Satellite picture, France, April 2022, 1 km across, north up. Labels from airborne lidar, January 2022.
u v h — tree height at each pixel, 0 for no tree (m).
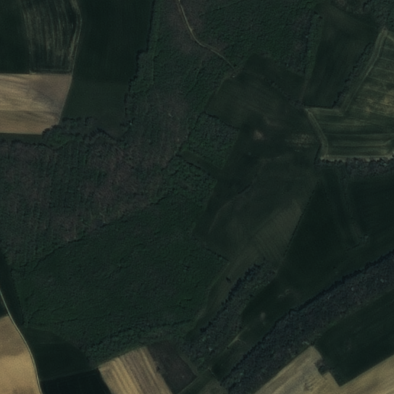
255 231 0
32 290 6
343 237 0
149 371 0
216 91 13
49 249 10
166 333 22
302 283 0
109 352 21
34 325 11
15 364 0
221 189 0
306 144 0
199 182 11
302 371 0
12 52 0
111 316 10
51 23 0
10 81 0
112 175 17
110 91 0
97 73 0
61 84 0
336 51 0
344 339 0
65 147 12
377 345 0
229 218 0
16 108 0
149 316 18
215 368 0
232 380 19
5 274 0
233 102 0
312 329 25
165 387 0
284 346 23
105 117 0
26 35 0
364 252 0
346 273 0
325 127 0
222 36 12
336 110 12
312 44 17
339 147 0
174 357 0
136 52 0
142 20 0
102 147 18
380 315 0
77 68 0
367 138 0
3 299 0
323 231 0
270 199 0
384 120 0
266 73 0
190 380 0
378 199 0
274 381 0
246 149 0
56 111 0
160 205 9
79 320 9
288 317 14
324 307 26
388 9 14
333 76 0
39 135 0
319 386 0
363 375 0
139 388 0
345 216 0
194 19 16
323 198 0
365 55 10
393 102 0
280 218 0
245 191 9
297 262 0
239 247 0
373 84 0
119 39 0
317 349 0
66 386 0
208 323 0
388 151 0
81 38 0
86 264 11
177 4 18
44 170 14
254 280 19
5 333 0
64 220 19
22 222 16
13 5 0
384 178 0
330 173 0
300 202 0
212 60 12
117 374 0
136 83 12
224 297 0
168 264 13
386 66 0
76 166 14
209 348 16
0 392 0
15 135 0
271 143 0
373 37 0
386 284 19
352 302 23
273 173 0
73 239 15
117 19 0
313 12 10
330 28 0
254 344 0
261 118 0
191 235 12
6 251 17
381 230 0
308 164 0
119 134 0
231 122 0
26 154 21
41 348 0
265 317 0
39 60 0
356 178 7
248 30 15
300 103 13
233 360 0
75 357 0
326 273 0
